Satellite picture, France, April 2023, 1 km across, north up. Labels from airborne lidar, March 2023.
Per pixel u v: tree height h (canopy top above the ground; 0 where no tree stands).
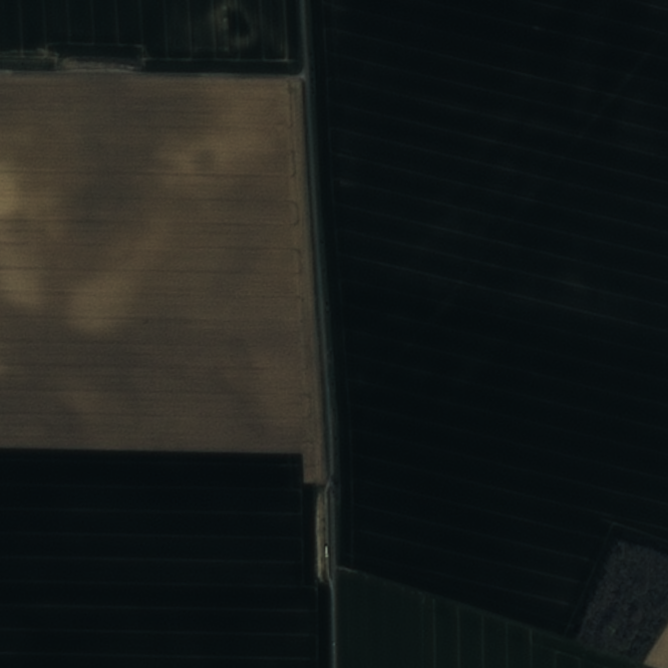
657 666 0
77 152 0
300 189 0
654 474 0
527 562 0
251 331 0
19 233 0
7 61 0
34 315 0
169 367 0
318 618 0
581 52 0
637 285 0
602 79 0
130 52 0
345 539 0
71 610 0
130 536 0
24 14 0
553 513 0
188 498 0
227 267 0
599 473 0
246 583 0
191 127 0
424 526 0
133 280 0
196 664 0
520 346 0
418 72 0
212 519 0
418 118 0
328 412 0
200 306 0
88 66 0
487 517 0
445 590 0
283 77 0
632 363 0
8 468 0
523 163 0
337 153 0
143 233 0
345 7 0
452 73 0
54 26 0
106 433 0
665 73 0
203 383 0
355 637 0
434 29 0
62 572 0
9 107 0
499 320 0
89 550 0
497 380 0
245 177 0
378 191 0
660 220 0
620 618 19
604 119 0
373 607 0
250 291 0
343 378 0
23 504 0
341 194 0
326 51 0
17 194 0
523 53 0
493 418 0
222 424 0
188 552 0
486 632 0
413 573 0
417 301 0
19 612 0
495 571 0
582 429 0
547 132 0
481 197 0
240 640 0
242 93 0
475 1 0
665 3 0
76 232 0
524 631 0
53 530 0
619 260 0
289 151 0
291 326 0
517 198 0
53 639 0
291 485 0
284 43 0
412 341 0
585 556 0
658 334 0
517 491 0
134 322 0
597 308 0
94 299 0
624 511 0
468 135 0
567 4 0
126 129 0
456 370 0
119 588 0
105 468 0
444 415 0
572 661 0
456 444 0
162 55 0
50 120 0
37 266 0
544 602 0
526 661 0
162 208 0
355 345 0
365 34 0
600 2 0
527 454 0
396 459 0
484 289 0
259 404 0
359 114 0
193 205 0
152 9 0
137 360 0
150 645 0
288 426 0
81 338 0
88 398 0
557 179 0
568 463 0
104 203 0
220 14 0
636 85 0
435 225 0
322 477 0
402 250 0
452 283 0
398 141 0
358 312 0
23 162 0
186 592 0
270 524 0
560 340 0
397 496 0
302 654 0
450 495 0
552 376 0
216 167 0
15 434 0
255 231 0
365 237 0
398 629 0
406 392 0
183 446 0
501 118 0
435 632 0
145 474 0
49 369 0
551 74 0
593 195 0
